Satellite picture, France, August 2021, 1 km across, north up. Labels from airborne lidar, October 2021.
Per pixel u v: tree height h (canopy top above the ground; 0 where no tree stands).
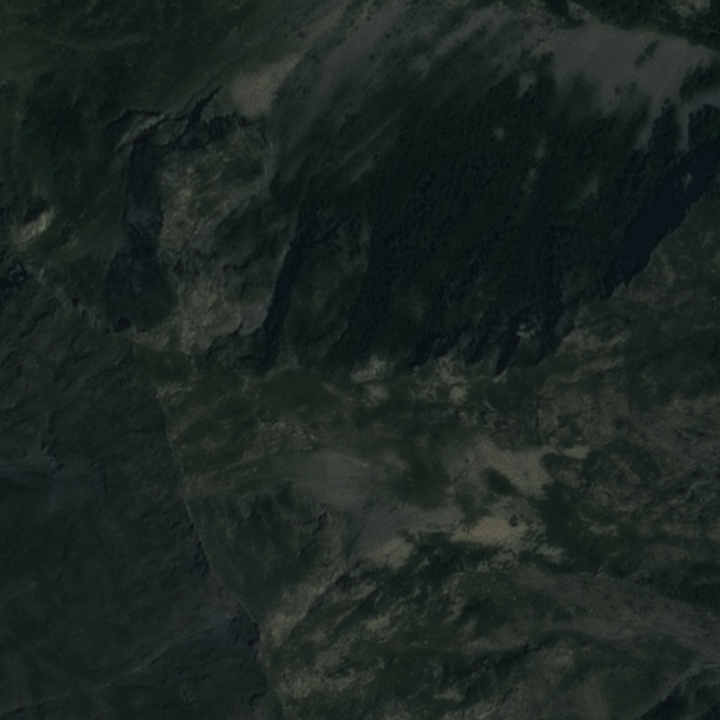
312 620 0
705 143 6
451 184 7
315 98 0
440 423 0
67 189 0
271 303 0
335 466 0
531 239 8
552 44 0
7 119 0
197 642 0
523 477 0
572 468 0
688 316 0
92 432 0
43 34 0
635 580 0
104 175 0
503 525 0
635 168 6
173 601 0
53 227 0
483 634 0
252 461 0
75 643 0
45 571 0
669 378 0
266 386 0
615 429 0
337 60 0
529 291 6
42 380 0
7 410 0
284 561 0
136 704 0
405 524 0
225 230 0
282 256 0
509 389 0
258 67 0
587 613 0
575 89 0
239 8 0
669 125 8
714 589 7
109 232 0
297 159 0
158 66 0
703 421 0
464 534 0
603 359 0
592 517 0
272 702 0
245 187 0
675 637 0
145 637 0
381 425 0
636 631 0
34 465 0
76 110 6
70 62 0
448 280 6
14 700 0
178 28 0
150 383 0
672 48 0
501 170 10
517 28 0
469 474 0
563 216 6
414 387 0
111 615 0
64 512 0
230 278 0
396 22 0
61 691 0
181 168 0
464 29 0
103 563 0
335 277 0
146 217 0
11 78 0
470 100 0
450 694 0
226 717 0
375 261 6
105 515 0
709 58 0
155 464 0
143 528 0
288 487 0
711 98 0
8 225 0
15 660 0
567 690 0
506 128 7
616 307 0
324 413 0
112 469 0
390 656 0
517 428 0
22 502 0
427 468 0
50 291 0
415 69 0
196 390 0
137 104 0
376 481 0
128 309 0
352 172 0
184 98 0
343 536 0
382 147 0
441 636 0
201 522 0
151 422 0
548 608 0
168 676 0
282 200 6
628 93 0
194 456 0
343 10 0
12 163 0
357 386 0
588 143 6
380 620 0
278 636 0
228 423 0
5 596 0
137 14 0
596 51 0
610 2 9
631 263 5
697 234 0
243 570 0
